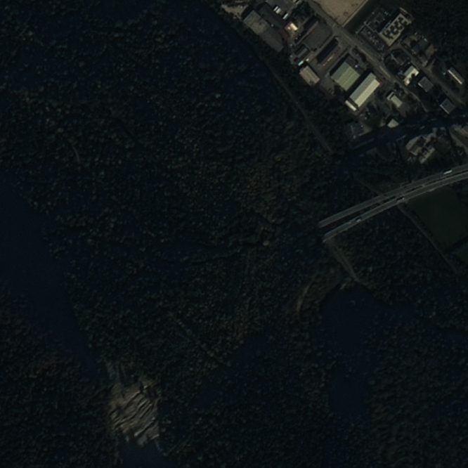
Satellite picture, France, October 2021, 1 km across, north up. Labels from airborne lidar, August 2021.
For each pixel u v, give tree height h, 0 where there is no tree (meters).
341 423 21
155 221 21
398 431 31
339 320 29
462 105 0
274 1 0
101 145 9
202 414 16
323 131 8
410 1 11
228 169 14
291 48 12
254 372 30
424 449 26
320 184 23
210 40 19
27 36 20
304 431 24
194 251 19
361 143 0
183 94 17
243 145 14
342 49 0
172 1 11
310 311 20
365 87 0
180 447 19
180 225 28
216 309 10
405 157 0
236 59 23
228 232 13
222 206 11
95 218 23
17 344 23
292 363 15
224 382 13
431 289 19
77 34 16
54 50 10
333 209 24
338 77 0
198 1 9
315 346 32
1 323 22
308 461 27
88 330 12
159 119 17
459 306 18
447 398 19
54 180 22
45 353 21
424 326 8
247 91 27
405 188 0
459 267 15
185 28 13
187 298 11
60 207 9
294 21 7
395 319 22
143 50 18
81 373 15
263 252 7
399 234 20
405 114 0
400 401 26
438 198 0
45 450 26
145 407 0
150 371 12
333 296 27
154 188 18
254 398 25
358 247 26
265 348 21
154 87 15
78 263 24
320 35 0
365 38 0
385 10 0
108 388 11
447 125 0
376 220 13
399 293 29
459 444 27
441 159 0
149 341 21
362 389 30
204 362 7
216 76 19
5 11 12
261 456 29
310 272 15
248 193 10
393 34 0
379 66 0
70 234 12
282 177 23
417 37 0
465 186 27
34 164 10
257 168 16
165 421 14
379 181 14
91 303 15
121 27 24
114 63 16
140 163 19
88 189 7
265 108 21
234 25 17
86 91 24
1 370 11
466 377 29
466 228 0
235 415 26
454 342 28
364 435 17
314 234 39
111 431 10
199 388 10
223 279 6
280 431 29
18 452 26
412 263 24
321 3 0
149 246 11
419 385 24
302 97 14
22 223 13
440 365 30
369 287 18
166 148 14
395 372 25
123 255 18
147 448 0
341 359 28
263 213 8
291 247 12
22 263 16
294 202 11
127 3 7
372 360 8
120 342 18
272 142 17
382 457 14
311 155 15
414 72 0
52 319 10
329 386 30
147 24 12
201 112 18
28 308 20
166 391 12
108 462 16
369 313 37
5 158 9
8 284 14
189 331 10
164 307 15
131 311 23
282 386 26
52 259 17
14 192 23
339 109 16
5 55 18
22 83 9
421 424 26
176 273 19
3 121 23
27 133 7
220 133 18
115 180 12
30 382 20
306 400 20
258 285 16
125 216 14
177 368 13
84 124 17
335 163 9
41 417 20
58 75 20
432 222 0
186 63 16
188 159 16
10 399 21
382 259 30
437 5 10
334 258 0
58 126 15
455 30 8
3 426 24
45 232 21
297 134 22
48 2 20
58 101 27
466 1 9
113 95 21
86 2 8
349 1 0
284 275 12
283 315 15
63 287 22
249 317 11
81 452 22
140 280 21
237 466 25
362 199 13
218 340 14
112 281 21
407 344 23
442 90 8
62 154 18
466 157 17
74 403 23
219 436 22
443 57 9
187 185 9
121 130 16
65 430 11
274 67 6
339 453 27
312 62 0
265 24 0
